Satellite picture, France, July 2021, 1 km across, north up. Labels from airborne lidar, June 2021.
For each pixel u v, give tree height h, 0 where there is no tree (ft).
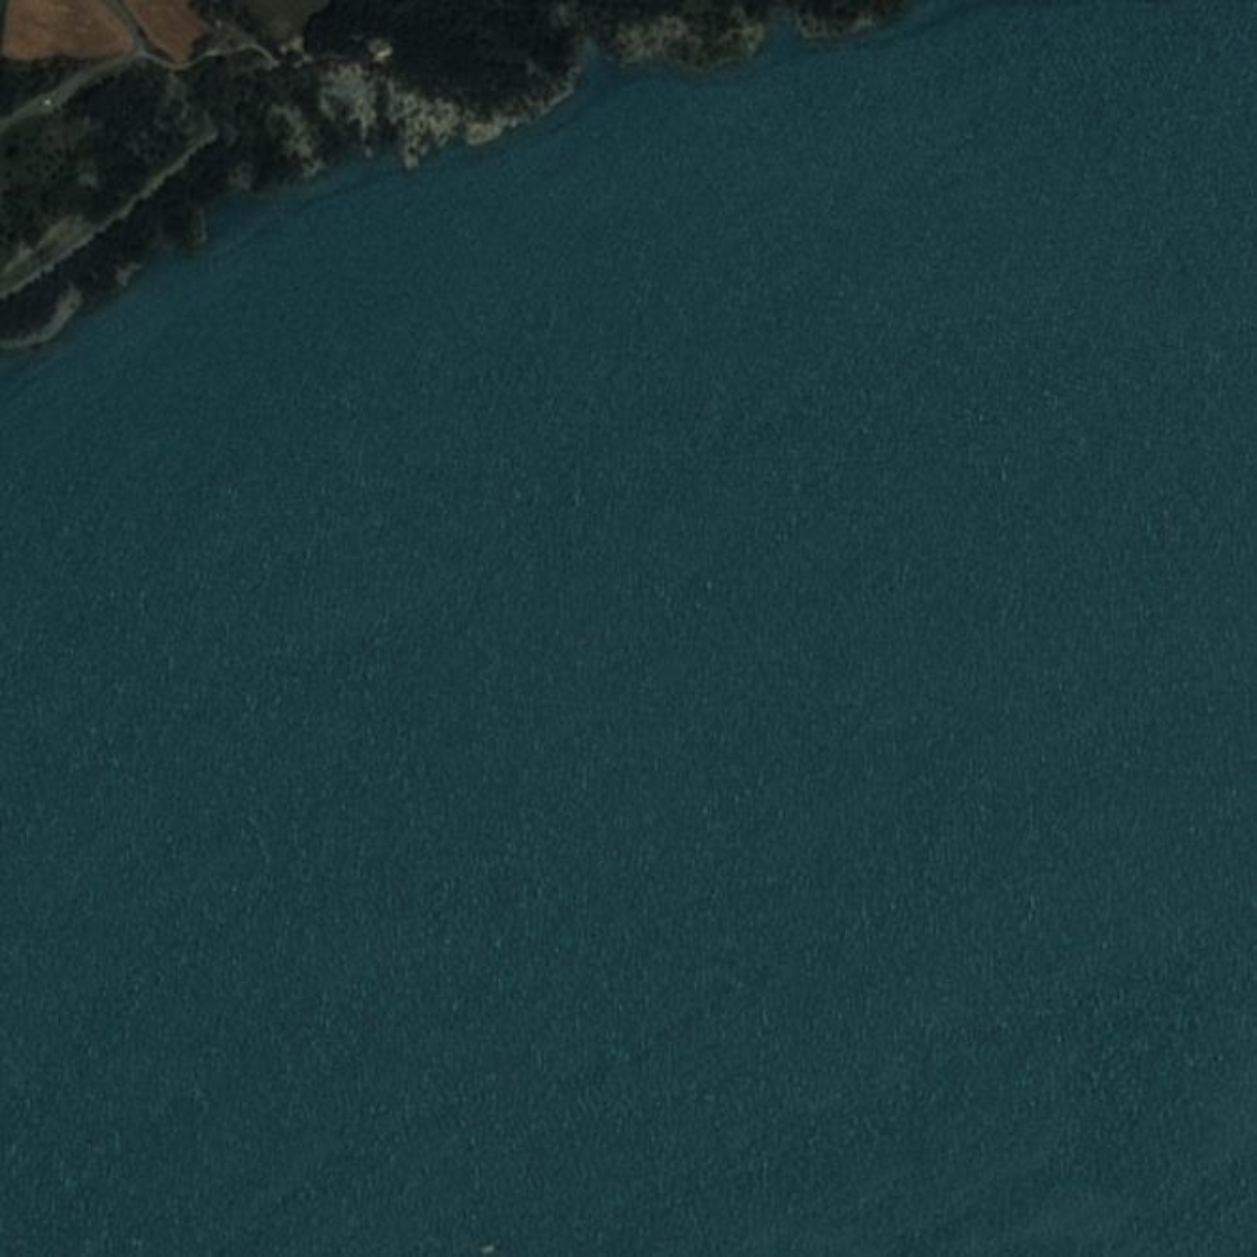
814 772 0
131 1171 0
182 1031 0
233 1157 0
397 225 0
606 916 0
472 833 0
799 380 0
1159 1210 0
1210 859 0
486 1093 0
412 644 0
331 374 0
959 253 0
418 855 0
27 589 0
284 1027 0
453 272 0
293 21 0
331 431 0
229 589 0
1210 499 0
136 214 37
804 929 0
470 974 0
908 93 0
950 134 0
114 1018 0
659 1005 0
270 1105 0
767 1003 0
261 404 0
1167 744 0
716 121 0
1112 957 0
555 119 0
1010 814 0
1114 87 0
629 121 0
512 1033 0
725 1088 0
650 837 0
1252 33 0
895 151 0
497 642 0
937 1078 0
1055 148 0
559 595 0
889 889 0
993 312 0
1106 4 0
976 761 0
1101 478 0
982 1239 0
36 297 37
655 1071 0
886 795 0
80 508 0
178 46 0
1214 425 0
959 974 0
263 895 0
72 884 0
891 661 0
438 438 0
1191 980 0
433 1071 0
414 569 0
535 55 35
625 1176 0
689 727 0
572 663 0
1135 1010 0
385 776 0
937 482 0
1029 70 0
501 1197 0
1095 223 0
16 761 0
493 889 0
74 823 0
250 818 0
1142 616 0
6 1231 0
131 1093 0
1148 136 0
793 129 0
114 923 0
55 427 0
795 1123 0
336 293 0
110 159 22
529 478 0
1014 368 0
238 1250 0
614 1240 0
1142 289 0
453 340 0
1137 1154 0
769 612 0
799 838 0
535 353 0
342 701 0
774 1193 0
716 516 0
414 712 0
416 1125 0
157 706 0
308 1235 0
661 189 0
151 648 0
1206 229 0
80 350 0
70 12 0
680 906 0
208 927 0
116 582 0
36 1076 0
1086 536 0
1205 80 0
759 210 0
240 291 0
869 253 0
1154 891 0
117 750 0
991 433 0
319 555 0
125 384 0
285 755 0
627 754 0
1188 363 0
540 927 0
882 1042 0
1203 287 0
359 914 0
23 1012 0
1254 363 0
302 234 0
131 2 0
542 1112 0
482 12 20
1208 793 0
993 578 0
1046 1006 0
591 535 0
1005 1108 0
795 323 0
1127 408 0
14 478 0
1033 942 0
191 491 0
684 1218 0
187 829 0
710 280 0
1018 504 0
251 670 0
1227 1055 0
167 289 0
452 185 0
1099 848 0
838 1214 0
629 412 0
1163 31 0
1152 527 0
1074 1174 0
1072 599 0
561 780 0
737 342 0
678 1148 0
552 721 0
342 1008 0
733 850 0
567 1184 0
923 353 0
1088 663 0
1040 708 0
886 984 0
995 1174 0
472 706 0
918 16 0
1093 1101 0
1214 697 0
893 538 0
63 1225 0
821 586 0
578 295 0
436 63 30
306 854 0
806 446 0
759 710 0
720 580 0
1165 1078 0
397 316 0
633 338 0
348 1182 0
